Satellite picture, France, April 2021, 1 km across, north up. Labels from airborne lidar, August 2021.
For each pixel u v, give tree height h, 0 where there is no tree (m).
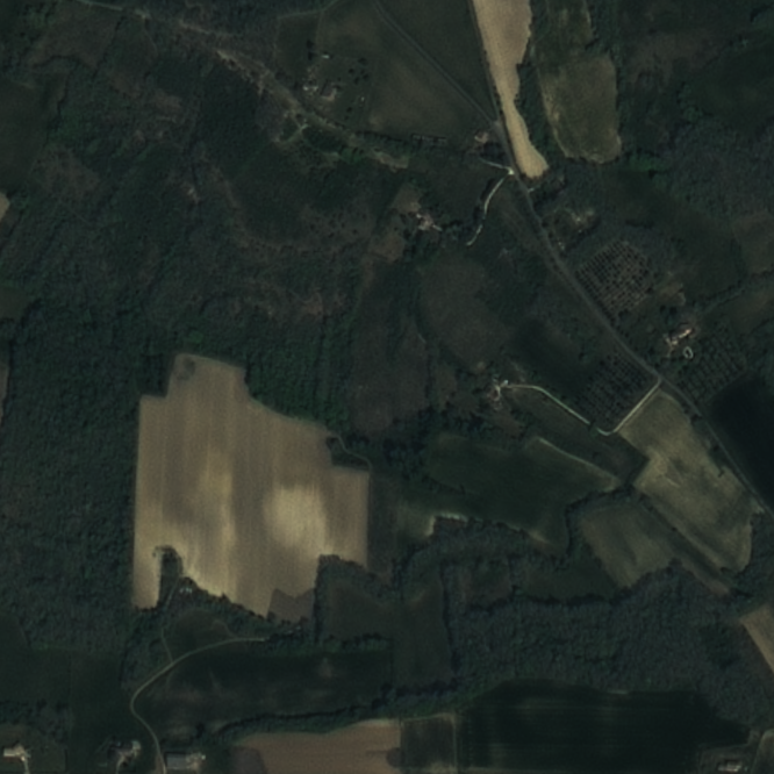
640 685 16
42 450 13
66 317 28
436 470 0
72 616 16
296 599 0
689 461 0
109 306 13
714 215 13
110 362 25
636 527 0
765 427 0
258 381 13
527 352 0
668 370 12
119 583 23
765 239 0
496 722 0
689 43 0
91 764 0
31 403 11
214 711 0
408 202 0
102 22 0
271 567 0
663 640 22
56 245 19
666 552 0
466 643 20
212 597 14
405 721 0
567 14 0
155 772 0
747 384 0
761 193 14
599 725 0
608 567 7
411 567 16
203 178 14
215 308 16
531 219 8
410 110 0
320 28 0
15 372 18
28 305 0
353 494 0
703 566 0
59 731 9
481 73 0
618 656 14
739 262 6
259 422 0
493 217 6
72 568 14
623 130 13
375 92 0
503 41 0
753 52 0
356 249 14
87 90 14
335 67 0
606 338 0
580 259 15
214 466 0
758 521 13
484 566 15
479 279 0
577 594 0
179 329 20
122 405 21
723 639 6
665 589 18
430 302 0
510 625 20
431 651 0
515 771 0
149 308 24
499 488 0
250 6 12
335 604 0
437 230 11
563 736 0
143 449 0
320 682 0
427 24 0
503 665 16
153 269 8
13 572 13
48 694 0
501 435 18
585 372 0
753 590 11
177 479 0
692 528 0
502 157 10
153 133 6
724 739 0
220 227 14
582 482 0
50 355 25
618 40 19
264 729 6
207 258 12
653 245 19
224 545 0
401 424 13
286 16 16
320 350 8
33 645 11
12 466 12
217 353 8
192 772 0
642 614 22
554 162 13
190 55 7
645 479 0
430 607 0
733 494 0
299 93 16
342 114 0
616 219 23
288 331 6
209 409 0
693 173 15
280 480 0
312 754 0
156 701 0
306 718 10
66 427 15
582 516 11
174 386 0
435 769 0
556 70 0
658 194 0
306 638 11
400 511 0
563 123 0
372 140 13
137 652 23
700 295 0
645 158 16
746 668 18
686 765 0
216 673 0
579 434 0
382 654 0
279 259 12
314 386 9
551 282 0
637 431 0
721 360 10
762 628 0
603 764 0
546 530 0
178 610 6
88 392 15
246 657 0
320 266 12
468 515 0
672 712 0
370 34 0
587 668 22
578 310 0
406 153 11
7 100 0
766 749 0
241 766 0
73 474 9
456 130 0
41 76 6
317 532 0
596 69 0
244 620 15
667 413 0
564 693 0
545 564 18
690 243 0
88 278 19
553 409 0
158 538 0
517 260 10
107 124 6
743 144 10
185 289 15
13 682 0
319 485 0
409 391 0
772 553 6
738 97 0
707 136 18
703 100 0
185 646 0
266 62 12
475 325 0
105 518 6
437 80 0
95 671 0
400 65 0
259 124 11
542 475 0
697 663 21
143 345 20
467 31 0
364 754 0
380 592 16
